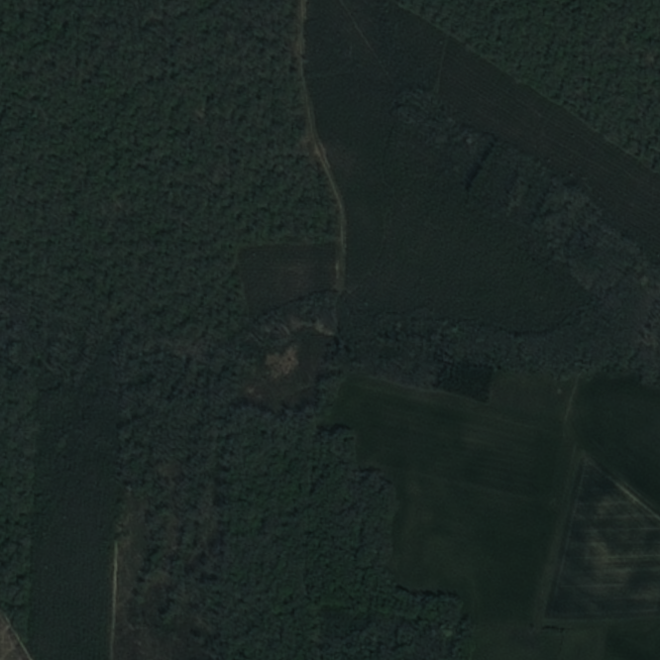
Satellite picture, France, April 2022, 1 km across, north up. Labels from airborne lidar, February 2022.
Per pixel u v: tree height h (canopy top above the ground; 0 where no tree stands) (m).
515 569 0
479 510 0
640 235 9
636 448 0
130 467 15
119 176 25
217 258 24
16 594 30
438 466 0
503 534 0
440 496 0
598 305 14
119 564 0
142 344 22
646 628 0
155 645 0
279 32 23
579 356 22
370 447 0
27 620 25
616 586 0
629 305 23
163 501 20
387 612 19
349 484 25
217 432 26
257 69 25
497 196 16
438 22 20
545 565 0
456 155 19
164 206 24
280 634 22
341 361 18
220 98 26
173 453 25
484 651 0
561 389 0
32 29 26
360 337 10
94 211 24
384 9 10
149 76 27
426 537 0
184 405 23
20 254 23
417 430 0
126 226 24
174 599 15
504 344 21
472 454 0
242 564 25
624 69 21
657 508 0
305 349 0
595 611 0
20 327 23
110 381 12
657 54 26
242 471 22
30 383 27
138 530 0
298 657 22
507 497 0
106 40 21
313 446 29
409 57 14
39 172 20
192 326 25
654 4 18
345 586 21
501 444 0
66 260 24
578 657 0
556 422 0
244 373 7
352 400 0
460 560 0
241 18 25
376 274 6
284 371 0
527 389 0
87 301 26
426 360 16
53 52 19
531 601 0
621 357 19
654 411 0
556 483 0
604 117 23
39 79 22
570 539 0
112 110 21
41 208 22
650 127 24
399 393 0
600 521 0
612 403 0
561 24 27
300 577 25
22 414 24
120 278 24
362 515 21
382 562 20
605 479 0
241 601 28
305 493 21
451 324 15
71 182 26
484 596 0
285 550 27
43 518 12
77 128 26
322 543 24
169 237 26
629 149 16
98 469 12
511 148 10
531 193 17
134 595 0
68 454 12
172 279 23
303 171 22
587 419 0
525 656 0
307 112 18
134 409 24
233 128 21
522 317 10
